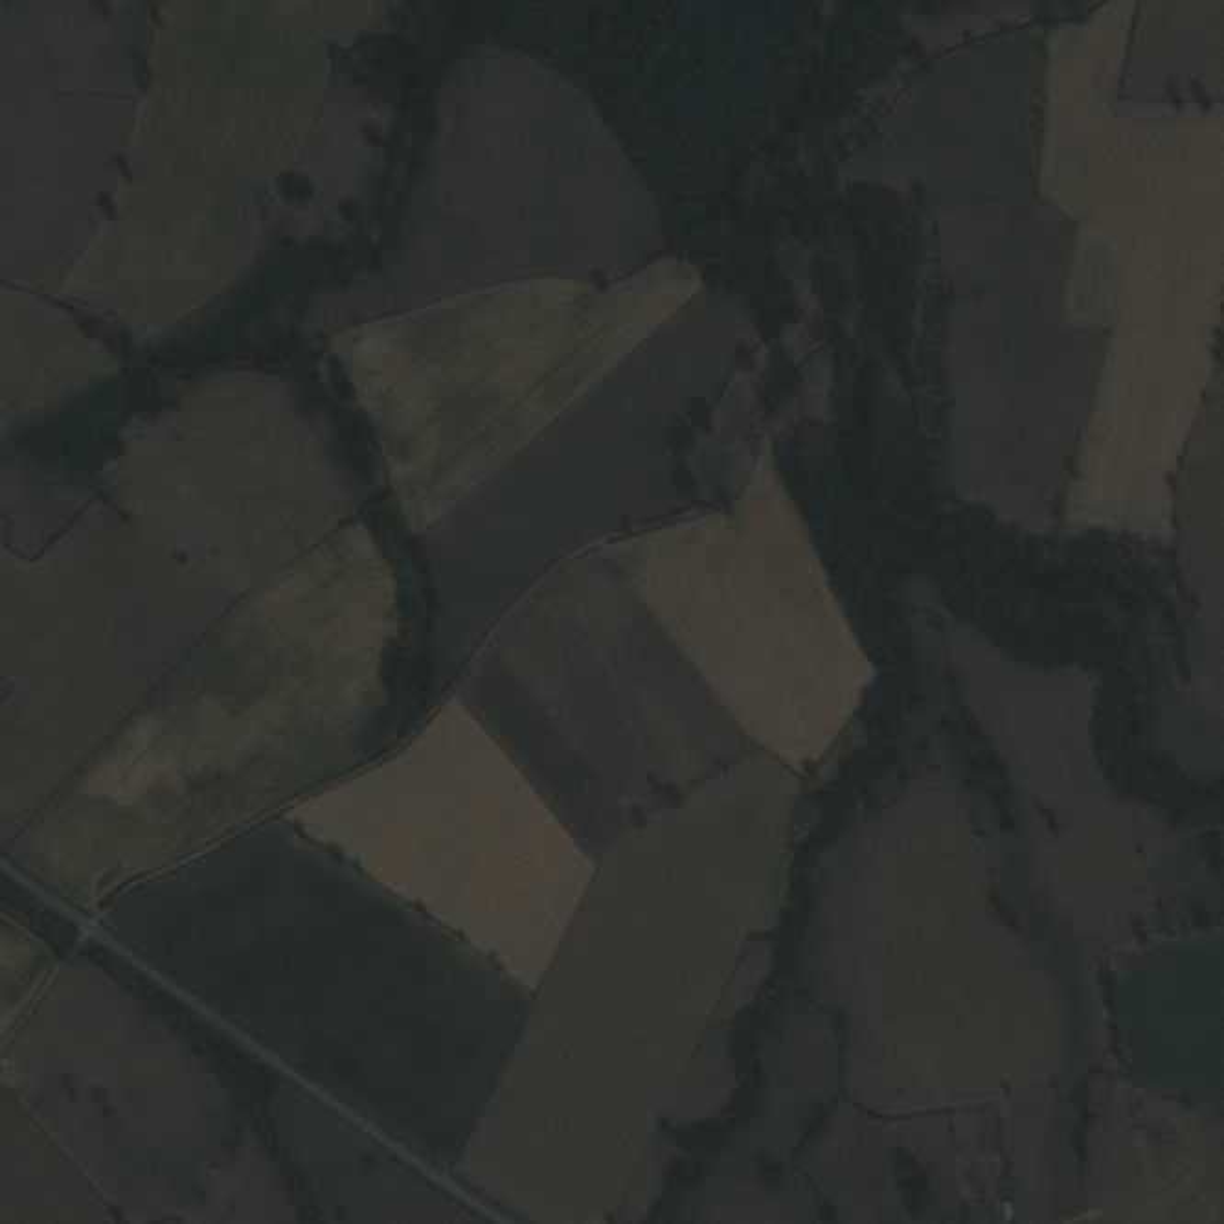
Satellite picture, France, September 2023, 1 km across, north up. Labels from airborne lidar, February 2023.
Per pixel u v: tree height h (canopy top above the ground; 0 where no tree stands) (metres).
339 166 0
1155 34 0
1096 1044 0
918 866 0
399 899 0
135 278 0
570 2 32
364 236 0
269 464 0
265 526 0
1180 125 0
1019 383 0
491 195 0
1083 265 0
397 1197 0
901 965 0
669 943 0
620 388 0
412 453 0
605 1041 0
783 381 19
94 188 0
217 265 0
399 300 0
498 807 0
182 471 0
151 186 0
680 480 17
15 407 0
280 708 0
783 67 19
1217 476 0
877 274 15
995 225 0
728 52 22
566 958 0
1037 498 0
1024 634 24
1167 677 0
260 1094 7
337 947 0
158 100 0
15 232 0
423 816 0
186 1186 0
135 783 0
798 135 6
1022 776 0
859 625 16
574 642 0
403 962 0
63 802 0
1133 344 0
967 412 0
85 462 0
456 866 0
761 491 0
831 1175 0
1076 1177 0
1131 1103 0
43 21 0
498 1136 0
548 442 0
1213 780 0
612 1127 0
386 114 0
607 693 0
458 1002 0
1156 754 0
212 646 0
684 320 0
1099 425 0
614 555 0
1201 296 0
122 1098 0
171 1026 10
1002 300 0
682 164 32
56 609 0
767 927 0
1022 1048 0
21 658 0
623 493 0
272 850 0
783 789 0
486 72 0
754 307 14
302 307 13
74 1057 0
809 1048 0
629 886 0
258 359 9
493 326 0
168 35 0
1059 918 0
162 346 0
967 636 0
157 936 0
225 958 0
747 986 0
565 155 0
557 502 0
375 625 0
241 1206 0
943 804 0
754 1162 0
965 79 0
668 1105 0
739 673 0
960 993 0
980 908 0
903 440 0
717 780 0
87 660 0
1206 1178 0
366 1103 0
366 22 0
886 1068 0
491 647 0
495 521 0
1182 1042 0
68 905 0
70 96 0
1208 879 0
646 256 0
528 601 0
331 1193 0
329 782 0
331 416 0
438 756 0
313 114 0
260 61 0
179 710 0
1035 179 11
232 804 0
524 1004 0
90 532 0
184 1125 0
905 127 0
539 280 0
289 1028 0
